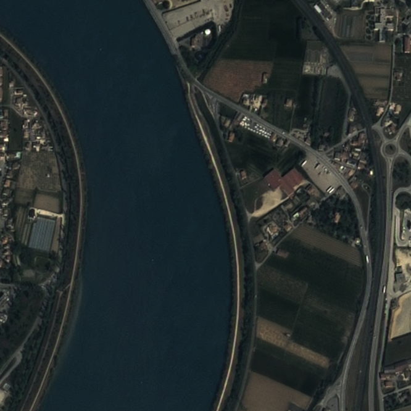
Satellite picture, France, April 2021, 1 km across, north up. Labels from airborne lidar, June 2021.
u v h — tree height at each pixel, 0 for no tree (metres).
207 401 0
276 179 0
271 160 0
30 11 0
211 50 14
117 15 0
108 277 0
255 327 0
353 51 0
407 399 10
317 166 0
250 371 0
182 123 0
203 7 0
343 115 6
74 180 7
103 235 0
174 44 0
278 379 0
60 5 0
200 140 8
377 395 0
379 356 0
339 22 0
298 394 0
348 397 0
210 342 0
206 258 0
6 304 0
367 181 7
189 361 0
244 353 21
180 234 0
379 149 0
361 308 0
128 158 0
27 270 0
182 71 16
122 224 0
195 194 0
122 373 0
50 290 21
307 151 0
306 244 0
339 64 0
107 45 0
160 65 0
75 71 0
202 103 0
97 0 0
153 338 0
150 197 0
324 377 0
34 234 0
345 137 0
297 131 0
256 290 0
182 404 0
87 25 0
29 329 0
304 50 0
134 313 0
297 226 0
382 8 0
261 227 8
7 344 0
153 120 0
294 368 0
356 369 0
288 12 0
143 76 0
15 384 16
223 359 0
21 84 0
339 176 0
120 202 0
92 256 0
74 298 7
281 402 0
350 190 0
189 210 0
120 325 0
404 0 0
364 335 0
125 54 0
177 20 0
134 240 0
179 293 0
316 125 7
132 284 0
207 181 0
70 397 0
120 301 0
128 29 0
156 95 0
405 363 0
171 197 0
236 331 0
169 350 0
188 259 0
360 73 0
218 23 0
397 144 0
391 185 0
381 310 0
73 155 7
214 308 0
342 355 0
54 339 7
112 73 0
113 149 0
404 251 0
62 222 0
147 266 0
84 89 0
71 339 0
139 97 0
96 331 0
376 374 0
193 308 0
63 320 0
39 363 0
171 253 0
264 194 0
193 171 0
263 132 0
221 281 0
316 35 9
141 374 0
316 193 0
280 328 0
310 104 0
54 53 0
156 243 0
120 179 0
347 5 0
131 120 0
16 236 9
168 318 0
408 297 0
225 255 0
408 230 0
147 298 0
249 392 0
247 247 14
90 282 0
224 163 15
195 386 0
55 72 0
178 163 0
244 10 0
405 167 15
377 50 0
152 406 0
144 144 0
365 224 0
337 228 7
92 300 0
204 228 0
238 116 0
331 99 0
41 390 0
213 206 0
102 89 0
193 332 0
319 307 0
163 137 0
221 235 0
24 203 0
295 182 0
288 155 0
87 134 0
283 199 0
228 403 14
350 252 0
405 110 0
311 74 0
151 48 0
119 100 0
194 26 0
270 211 8
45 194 0
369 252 0
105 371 0
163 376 0
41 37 0
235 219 0
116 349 0
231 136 0
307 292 0
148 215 0
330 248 0
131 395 0
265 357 0
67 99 0
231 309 14
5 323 14
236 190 8
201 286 0
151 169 0
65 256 11
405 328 0
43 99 18
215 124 0
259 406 0
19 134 0
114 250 0
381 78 0
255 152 0
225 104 0
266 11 0
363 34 0
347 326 0
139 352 0
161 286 0
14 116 0
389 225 0
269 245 0
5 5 0
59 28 0
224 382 0
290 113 0
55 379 0
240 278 0
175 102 0
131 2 0
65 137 8
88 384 0
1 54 26
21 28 0
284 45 0
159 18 0
